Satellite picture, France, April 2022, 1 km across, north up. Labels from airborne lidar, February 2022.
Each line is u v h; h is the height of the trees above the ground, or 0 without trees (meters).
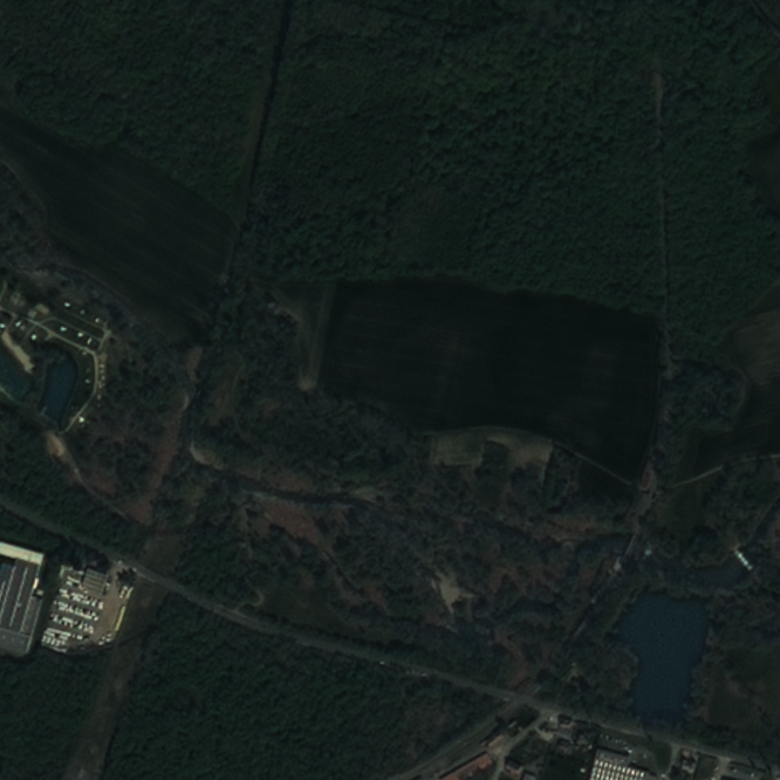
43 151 0
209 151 25
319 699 19
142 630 0
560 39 22
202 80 26
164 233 0
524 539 25
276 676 16
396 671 16
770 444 0
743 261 22
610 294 20
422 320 0
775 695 0
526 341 0
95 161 0
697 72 26
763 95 15
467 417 0
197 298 0
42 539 9
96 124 24
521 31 27
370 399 0
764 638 21
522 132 23
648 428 0
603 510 25
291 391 23
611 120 22
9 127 0
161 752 18
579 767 0
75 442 0
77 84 25
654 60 27
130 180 0
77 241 0
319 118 16
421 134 19
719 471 0
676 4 26
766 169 0
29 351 0
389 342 0
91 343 0
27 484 15
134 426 7
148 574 0
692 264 20
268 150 20
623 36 26
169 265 0
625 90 27
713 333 16
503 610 18
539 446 0
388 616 18
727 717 0
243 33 22
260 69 23
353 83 17
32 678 19
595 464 0
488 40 27
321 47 19
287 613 0
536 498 24
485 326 0
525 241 23
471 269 17
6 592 0
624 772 0
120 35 24
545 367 0
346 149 11
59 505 17
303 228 16
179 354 19
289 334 24
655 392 0
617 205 22
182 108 25
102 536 11
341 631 0
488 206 15
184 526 0
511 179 27
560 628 16
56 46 21
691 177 21
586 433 0
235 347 27
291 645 20
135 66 26
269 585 16
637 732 0
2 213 31
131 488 15
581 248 20
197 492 0
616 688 30
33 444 21
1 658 6
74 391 0
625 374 0
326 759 19
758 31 23
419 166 19
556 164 19
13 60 19
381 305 0
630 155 26
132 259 0
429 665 10
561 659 14
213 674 17
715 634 17
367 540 14
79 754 0
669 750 0
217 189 20
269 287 0
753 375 0
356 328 0
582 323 0
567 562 10
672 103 17
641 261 21
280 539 12
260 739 19
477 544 23
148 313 0
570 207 25
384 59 16
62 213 0
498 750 0
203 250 0
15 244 9
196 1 24
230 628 17
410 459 24
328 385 0
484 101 24
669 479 26
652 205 19
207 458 0
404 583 18
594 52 25
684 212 19
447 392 0
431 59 17
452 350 0
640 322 0
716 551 23
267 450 22
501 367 0
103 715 0
